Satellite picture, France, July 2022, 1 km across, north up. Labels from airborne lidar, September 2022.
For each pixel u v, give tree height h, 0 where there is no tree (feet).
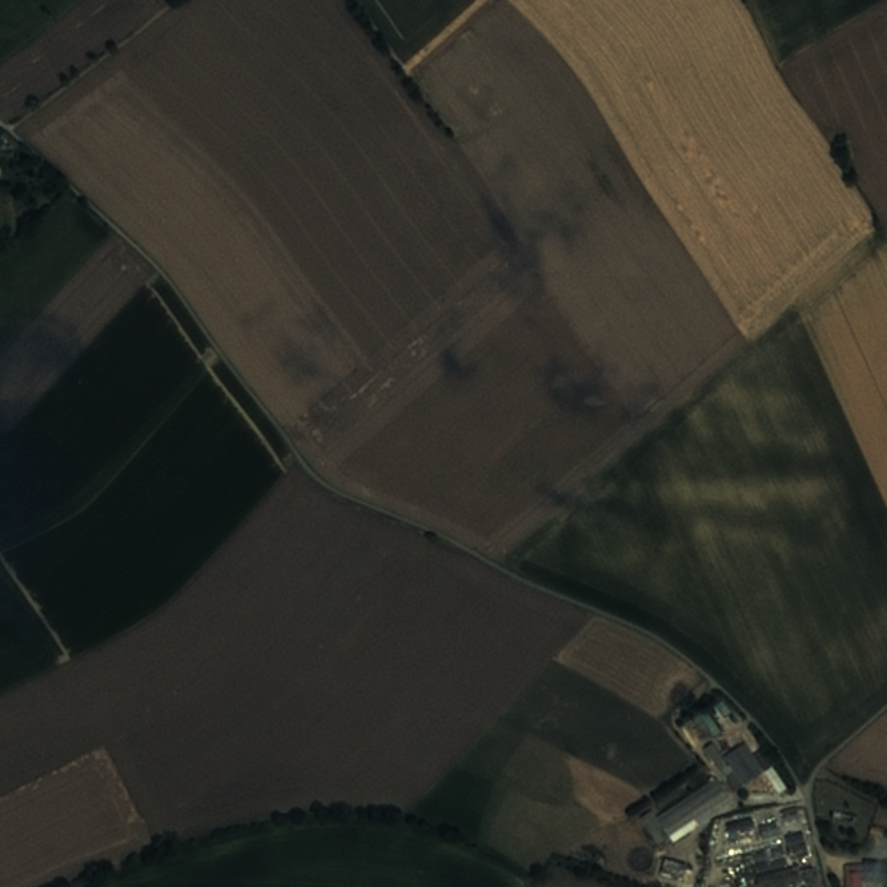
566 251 0
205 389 0
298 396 0
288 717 0
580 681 0
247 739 0
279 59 0
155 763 0
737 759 0
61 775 0
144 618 0
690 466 0
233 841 0
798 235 0
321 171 0
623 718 0
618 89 0
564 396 0
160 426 0
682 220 0
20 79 0
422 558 0
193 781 0
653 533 0
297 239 0
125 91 0
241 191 0
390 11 0
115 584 0
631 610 0
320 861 0
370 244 0
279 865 0
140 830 0
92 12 0
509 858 0
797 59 0
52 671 0
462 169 0
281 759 0
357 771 0
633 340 0
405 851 0
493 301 0
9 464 0
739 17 0
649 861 0
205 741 0
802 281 0
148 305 0
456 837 57
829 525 0
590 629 0
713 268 0
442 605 0
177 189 0
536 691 0
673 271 0
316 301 0
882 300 0
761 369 0
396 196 0
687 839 0
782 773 26
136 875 0
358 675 0
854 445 0
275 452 0
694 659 0
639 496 0
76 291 0
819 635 0
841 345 0
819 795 0
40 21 0
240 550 0
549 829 0
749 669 0
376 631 0
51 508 0
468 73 0
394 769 0
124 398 0
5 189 43
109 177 0
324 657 0
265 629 0
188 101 0
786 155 0
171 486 0
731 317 0
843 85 0
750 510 0
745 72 0
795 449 0
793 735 0
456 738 0
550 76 0
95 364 0
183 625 0
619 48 0
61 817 0
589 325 0
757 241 0
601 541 0
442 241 0
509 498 0
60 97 0
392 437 0
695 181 0
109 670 0
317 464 0
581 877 48
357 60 0
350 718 0
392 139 0
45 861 0
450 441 0
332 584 0
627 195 0
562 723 0
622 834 0
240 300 0
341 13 0
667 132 0
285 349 0
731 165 0
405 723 0
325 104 0
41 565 0
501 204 0
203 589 0
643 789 0
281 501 0
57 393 0
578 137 0
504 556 0
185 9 0
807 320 0
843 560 0
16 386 0
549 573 0
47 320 0
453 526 0
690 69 0
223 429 0
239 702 0
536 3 0
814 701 0
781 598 0
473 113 0
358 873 0
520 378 0
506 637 0
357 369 0
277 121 0
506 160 0
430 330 0
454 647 0
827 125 0
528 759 0
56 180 57
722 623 0
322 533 0
